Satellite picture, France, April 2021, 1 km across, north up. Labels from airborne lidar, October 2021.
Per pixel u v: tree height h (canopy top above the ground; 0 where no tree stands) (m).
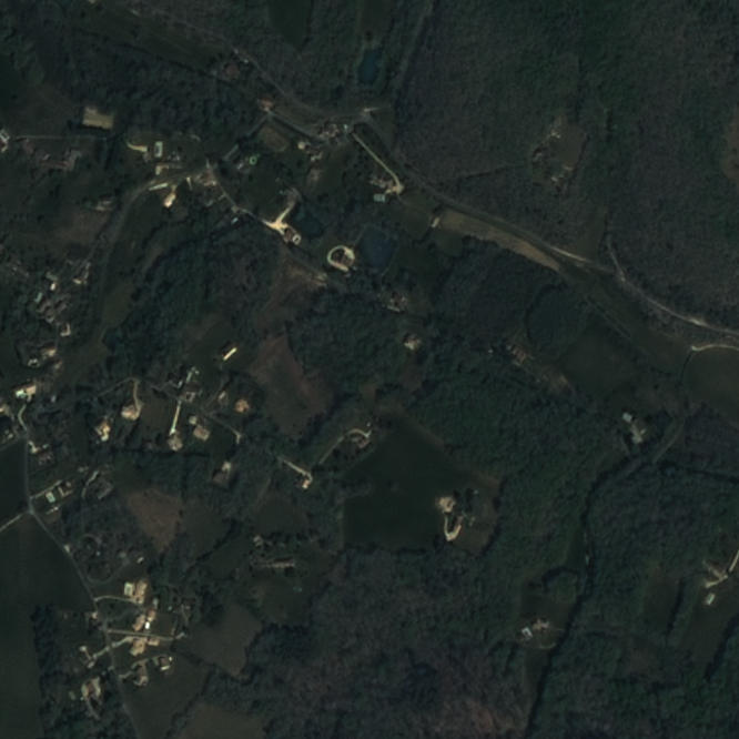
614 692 19
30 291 9
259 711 17
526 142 18
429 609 14
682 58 19
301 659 28
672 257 13
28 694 0
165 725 0
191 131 14
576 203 15
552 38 21
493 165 14
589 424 19
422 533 0
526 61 17
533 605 0
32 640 0
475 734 6
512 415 25
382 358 25
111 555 14
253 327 16
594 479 27
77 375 0
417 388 0
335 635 21
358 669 12
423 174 8
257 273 19
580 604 8
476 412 24
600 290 0
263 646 21
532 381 9
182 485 11
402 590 22
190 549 14
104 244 20
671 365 0
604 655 23
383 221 17
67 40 9
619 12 18
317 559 0
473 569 26
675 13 14
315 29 16
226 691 21
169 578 19
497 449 25
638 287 14
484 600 20
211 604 16
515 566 20
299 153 0
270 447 18
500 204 14
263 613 6
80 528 20
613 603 26
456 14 13
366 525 0
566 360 0
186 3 15
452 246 0
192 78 21
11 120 0
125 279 9
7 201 0
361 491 11
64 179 8
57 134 0
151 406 0
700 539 24
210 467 13
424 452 0
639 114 13
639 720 19
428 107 12
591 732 12
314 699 9
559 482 24
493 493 0
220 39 23
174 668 0
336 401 6
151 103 15
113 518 16
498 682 18
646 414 0
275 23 0
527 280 12
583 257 0
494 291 13
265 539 6
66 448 10
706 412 14
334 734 13
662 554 22
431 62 10
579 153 0
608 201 18
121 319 0
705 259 11
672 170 14
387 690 12
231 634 0
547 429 22
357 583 25
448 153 14
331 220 18
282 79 13
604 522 20
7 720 0
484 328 12
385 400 18
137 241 0
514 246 0
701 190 15
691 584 20
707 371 0
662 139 13
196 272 16
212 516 0
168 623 0
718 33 12
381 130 0
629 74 20
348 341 23
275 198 0
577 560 0
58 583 0
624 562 20
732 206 15
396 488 10
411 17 17
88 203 10
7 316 14
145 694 0
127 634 0
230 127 24
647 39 15
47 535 0
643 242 11
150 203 0
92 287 15
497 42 16
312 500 17
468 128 13
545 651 0
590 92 23
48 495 0
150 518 0
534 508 24
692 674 18
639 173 10
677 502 22
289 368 0
